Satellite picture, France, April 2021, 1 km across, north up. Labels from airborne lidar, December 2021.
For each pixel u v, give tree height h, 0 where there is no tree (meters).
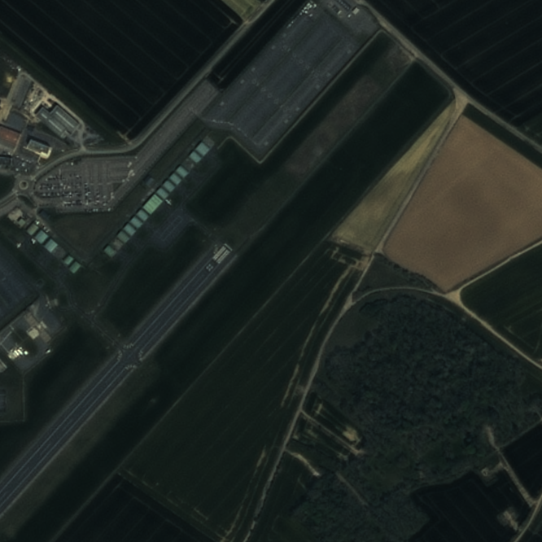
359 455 0
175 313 0
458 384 21
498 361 19
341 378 21
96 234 0
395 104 0
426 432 17
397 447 16
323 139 0
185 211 0
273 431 0
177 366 0
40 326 0
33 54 0
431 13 0
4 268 0
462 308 0
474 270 0
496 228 0
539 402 14
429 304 12
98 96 0
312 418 0
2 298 0
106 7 0
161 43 0
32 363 0
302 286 0
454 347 26
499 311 0
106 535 0
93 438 0
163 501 0
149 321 0
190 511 0
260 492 0
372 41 0
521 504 0
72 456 0
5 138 0
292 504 0
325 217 0
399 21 0
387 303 12
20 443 0
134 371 0
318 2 0
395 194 0
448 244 0
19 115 0
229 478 0
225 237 0
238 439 0
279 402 0
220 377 0
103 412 0
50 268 0
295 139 0
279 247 0
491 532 0
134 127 0
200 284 0
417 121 0
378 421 25
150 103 0
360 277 0
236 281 0
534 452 0
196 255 0
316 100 0
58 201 0
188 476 0
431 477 18
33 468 0
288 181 0
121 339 0
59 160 0
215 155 0
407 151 0
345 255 0
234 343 0
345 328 0
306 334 0
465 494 0
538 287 0
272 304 0
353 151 0
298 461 0
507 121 0
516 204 0
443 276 0
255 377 0
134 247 0
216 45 0
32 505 0
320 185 0
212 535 0
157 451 0
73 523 0
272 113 0
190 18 0
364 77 0
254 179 0
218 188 0
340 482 17
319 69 0
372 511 17
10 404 0
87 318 0
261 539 0
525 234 0
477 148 0
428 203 0
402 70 0
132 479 0
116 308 0
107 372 0
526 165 0
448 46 0
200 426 0
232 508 0
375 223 0
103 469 0
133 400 0
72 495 0
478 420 22
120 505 0
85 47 0
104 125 0
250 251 0
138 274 0
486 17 0
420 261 0
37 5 0
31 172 0
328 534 13
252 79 0
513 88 0
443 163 0
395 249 0
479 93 0
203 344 0
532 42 0
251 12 0
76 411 0
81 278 0
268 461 0
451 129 0
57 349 0
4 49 0
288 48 0
